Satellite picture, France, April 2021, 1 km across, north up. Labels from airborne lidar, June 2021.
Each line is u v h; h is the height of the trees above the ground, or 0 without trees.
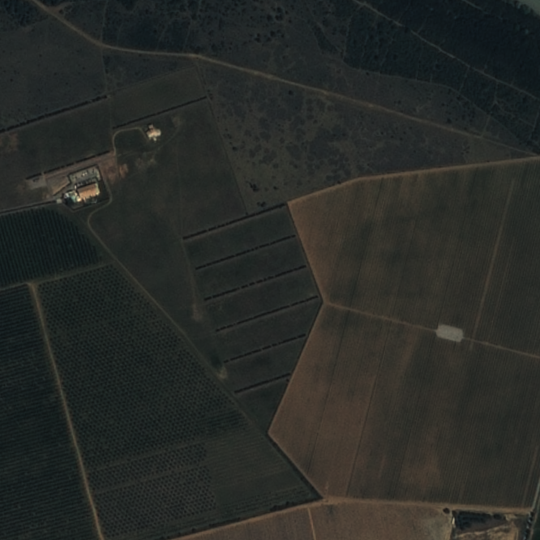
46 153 0
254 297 0
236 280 0
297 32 0
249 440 0
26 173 0
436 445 0
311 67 0
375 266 0
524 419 0
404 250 0
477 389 0
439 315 0
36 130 0
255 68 0
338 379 0
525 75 7
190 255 0
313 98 0
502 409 0
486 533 0
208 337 0
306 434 0
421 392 0
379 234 0
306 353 0
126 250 0
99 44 0
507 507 0
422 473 0
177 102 0
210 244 0
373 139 0
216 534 0
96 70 0
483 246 0
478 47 6
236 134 0
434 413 0
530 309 0
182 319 0
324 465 0
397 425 0
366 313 0
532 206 0
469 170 0
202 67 0
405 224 0
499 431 0
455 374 0
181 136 0
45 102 0
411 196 0
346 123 0
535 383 0
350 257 0
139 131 0
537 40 14
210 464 0
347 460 0
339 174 0
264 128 0
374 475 0
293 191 0
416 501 0
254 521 0
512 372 0
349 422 0
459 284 0
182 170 0
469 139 0
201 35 0
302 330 0
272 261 0
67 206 9
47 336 0
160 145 0
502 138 0
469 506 0
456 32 6
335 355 0
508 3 7
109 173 0
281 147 0
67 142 0
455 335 0
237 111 0
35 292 0
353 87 0
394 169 0
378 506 0
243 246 0
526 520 0
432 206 0
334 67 0
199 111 0
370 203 0
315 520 0
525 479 0
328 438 0
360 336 0
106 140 0
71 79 0
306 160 0
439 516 0
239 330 0
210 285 0
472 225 0
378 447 0
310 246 0
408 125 0
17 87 0
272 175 0
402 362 0
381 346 0
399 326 0
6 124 0
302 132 0
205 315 0
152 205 0
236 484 0
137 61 0
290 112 0
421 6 6
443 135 0
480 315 0
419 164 0
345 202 0
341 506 0
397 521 0
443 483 0
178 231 0
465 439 0
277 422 0
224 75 0
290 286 0
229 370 0
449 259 0
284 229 0
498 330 0
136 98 0
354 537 0
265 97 0
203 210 0
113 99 0
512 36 9
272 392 0
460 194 0
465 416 0
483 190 0
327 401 0
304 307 0
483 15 8
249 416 0
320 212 0
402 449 0
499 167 0
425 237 0
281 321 0
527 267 0
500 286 0
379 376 0
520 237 0
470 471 0
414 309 0
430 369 0
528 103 9
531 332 0
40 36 0
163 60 0
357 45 7
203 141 0
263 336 0
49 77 0
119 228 0
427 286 0
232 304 0
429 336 0
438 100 0
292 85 0
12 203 0
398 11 6
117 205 0
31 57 0
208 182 0
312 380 0
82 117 0
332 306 0
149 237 0
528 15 13
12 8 7
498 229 0
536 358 0
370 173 0
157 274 0
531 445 0
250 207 0
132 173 0
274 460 0
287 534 0
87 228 0
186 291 0
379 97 0
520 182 0
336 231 0
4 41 0
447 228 0
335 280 0
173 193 0
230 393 0
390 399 0
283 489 0
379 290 0
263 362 0
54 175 0
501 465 0
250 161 0
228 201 0
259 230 0
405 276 0
